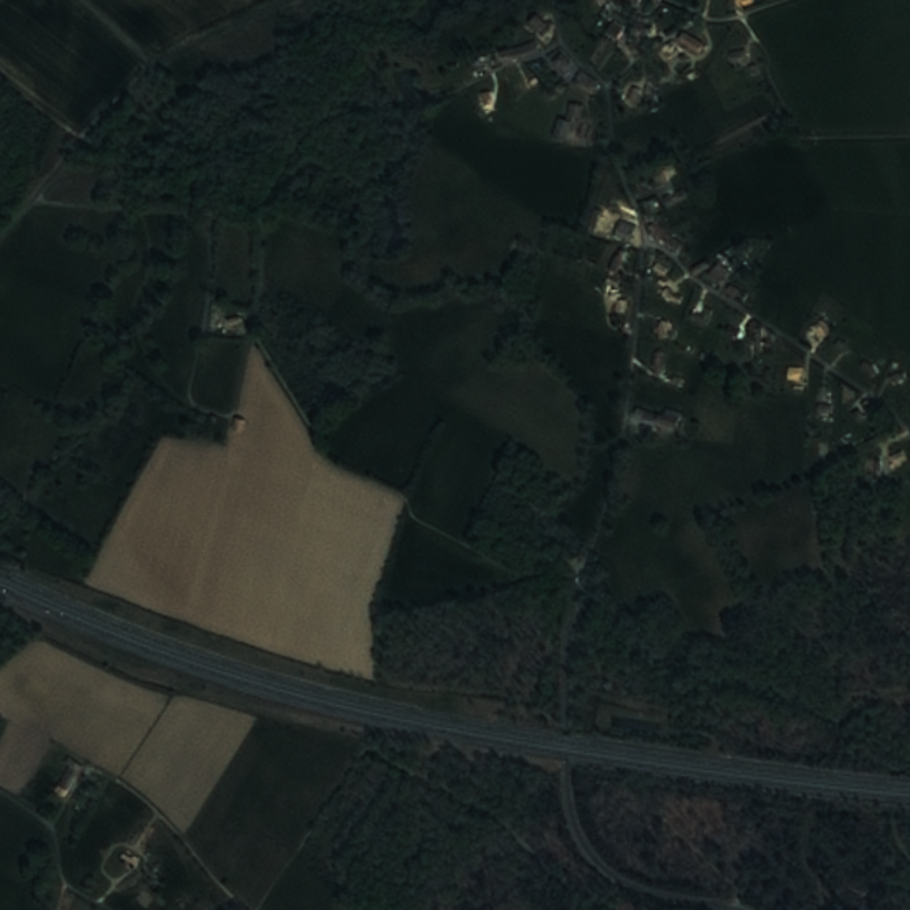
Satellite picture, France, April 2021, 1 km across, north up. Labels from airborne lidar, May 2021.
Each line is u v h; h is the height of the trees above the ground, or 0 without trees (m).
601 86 0
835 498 15
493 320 0
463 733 0
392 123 20
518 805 15
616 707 0
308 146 17
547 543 14
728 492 0
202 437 11
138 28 0
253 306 7
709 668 20
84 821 12
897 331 0
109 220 0
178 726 0
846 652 20
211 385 0
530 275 16
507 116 0
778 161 0
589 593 15
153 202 19
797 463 0
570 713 9
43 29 0
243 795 0
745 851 8
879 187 0
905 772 8
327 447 19
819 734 9
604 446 17
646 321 0
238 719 0
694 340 0
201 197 16
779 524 0
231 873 0
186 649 0
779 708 21
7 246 0
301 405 6
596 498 0
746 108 0
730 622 18
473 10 17
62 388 7
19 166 18
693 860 7
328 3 16
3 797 0
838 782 0
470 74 0
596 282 0
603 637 23
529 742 0
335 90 18
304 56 26
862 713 9
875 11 0
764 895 9
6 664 14
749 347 11
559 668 12
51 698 0
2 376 0
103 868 0
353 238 22
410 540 0
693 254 9
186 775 0
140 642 0
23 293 0
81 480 8
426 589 0
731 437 0
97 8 0
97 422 19
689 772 0
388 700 0
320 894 0
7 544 12
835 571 8
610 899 18
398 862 24
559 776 8
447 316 0
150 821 0
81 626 0
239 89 26
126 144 12
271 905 0
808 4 0
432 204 0
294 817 0
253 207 15
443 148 0
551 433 0
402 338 0
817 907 7
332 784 0
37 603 0
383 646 15
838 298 0
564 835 12
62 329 0
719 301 0
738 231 0
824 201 0
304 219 14
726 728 9
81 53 0
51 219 0
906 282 0
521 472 20
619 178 7
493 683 11
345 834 12
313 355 12
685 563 0
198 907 7
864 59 0
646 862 15
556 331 0
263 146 17
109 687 0
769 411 0
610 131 8
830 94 0
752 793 12
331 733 0
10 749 0
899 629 7
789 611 16
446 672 17
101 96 0
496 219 0
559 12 8
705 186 22
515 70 0
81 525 0
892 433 15
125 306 0
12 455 0
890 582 6
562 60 0
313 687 0
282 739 0
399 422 0
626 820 8
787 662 27
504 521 14
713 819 10
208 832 0
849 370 0
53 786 11
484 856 17
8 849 0
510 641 17
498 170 0
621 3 9
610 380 0
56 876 13
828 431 0
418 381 0
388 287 10
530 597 21
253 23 0
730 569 7
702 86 0
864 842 6
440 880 24
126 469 0
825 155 0
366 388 16
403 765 12
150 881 9
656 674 13
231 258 0
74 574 0
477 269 0
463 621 19
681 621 22
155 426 0
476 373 0
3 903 0
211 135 12
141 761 0
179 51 0
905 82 0
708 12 0
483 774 21
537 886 27
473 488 0
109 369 12
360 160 21
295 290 0
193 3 0
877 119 0
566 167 0
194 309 0
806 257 0
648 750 0
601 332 0
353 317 0
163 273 20
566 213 0
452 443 0
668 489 0
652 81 0
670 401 0
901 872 19
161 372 12
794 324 0
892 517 21
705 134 0
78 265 0
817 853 13
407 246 13
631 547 0
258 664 0
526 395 0
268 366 9
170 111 14
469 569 0
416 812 21
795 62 0
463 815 19
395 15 15
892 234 0
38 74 0
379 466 0
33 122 13
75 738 0
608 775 6
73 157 15
